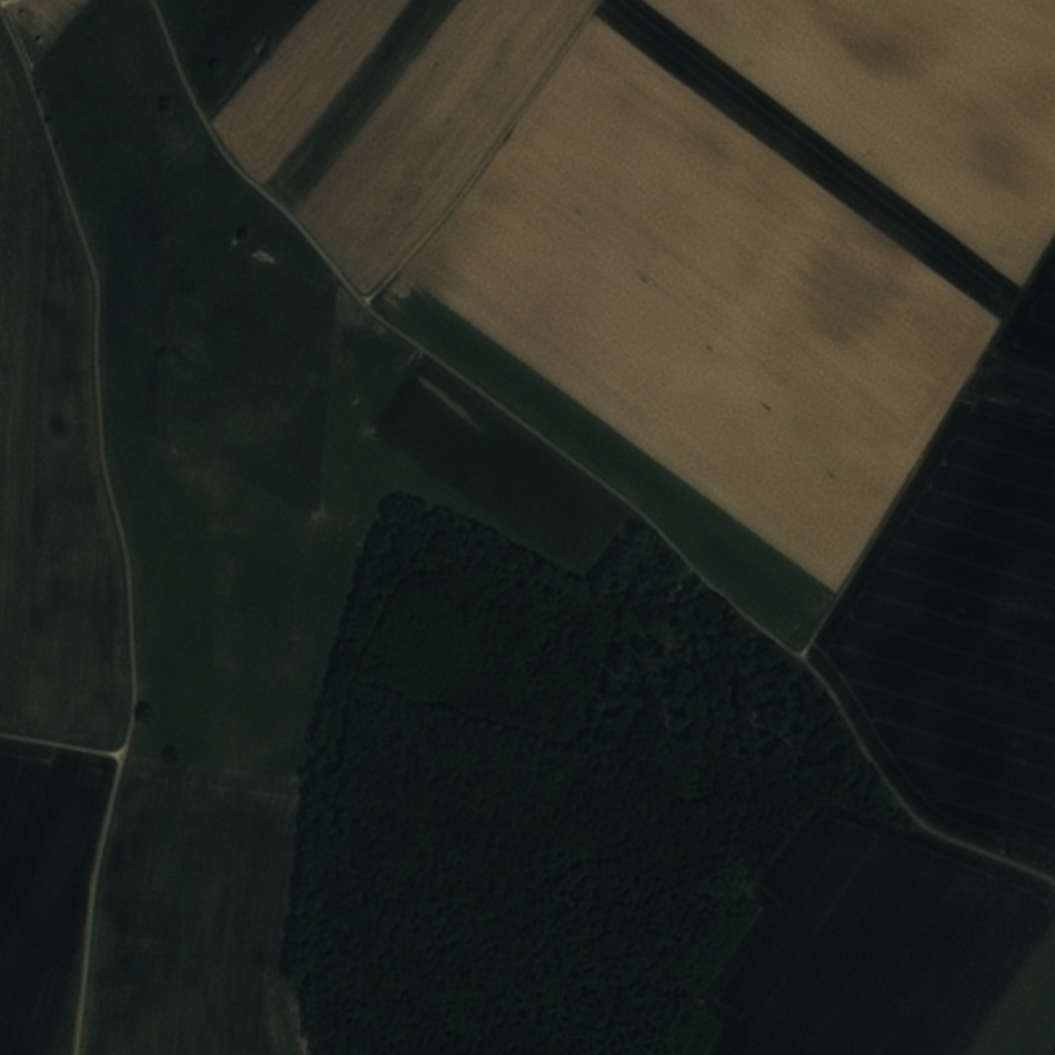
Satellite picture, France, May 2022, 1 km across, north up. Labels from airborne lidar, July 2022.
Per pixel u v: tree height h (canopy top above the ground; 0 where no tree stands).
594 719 20
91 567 0
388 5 0
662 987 19
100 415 0
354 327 0
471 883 25
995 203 0
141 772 0
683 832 23
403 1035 23
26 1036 0
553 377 0
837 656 0
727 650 30
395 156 0
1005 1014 0
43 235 0
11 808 0
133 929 0
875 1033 0
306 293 0
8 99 0
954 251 0
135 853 0
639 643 24
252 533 0
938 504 0
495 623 10
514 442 0
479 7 0
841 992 0
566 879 24
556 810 20
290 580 0
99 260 0
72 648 0
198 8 0
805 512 0
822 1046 0
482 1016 22
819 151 0
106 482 0
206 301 0
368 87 0
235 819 0
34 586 0
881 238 0
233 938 0
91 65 0
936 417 0
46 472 0
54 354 0
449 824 24
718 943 12
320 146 0
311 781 20
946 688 0
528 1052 22
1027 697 0
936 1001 0
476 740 23
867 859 0
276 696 0
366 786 23
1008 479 0
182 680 0
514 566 23
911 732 0
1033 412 0
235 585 0
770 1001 0
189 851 0
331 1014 24
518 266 0
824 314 0
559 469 0
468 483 0
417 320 0
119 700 0
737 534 0
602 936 23
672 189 0
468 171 0
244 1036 0
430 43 0
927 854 0
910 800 0
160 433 0
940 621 0
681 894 23
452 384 0
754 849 23
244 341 0
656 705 33
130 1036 0
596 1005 21
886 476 0
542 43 0
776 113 0
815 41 0
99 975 0
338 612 0
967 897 0
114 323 0
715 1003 0
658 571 22
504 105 0
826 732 26
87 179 0
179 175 0
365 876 24
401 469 0
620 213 0
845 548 0
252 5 0
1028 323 0
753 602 0
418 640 9
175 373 0
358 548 0
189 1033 0
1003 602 0
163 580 0
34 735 0
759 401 0
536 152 0
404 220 0
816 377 0
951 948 0
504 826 24
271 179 0
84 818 0
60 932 0
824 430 0
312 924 19
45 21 0
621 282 0
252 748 0
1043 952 0
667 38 0
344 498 0
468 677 10
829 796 18
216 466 0
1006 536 0
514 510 0
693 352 0
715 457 0
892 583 0
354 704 15
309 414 0
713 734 30
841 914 0
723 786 25
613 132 0
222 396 0
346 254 0
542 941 24
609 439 0
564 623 11
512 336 0
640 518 0
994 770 0
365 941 23
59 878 0
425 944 24
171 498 0
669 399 0
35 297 0
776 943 0
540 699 11
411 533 24
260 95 0
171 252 0
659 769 23
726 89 0
